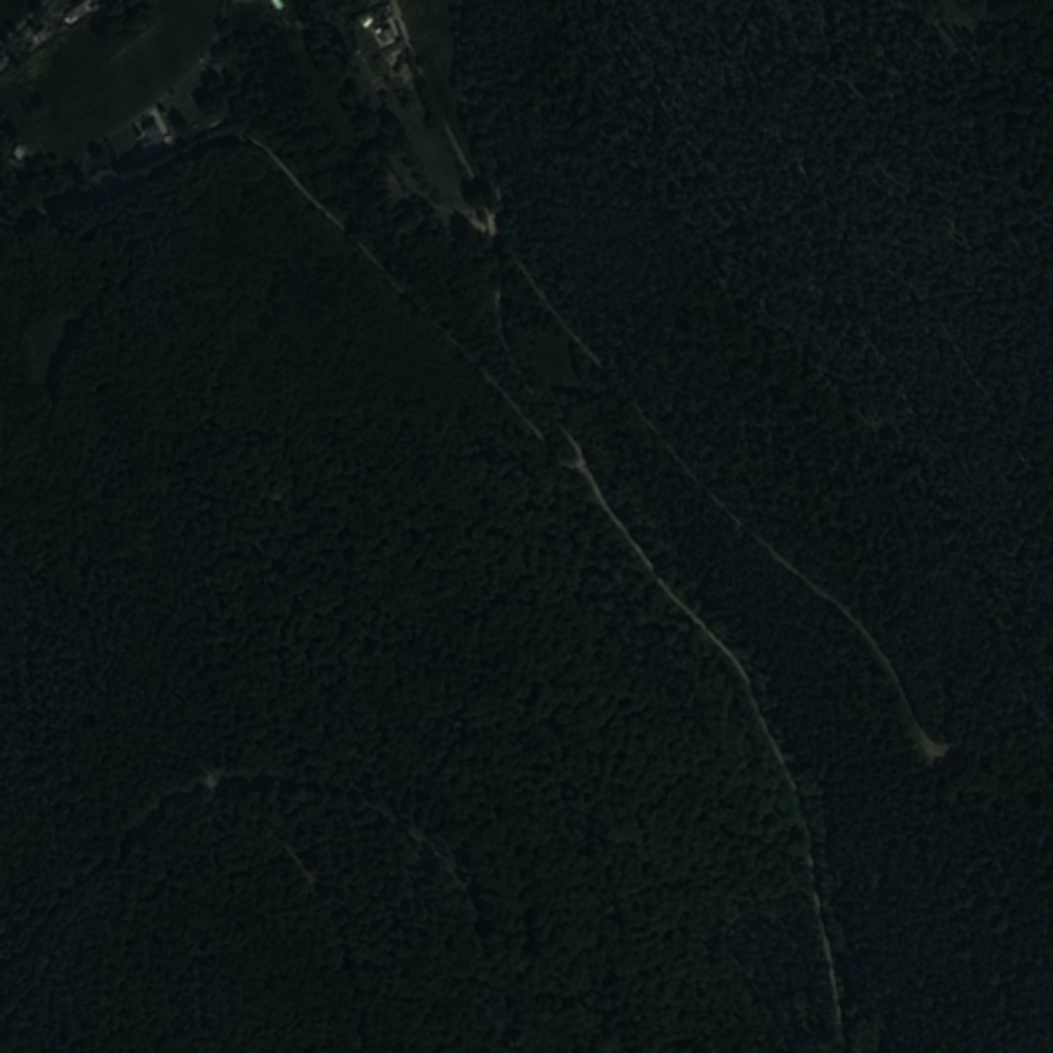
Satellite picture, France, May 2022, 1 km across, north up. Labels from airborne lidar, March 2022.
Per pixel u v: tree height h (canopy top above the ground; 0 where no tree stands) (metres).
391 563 31
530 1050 32
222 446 20
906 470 23
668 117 31
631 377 23
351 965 23
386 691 33
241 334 16
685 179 27
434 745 31
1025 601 25
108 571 24
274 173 15
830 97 21
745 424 10
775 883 33
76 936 21
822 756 27
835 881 22
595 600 33
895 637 17
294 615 30
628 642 32
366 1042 28
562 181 13
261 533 29
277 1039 23
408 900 30
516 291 24
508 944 34
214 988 29
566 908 29
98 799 25
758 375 35
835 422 17
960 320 22
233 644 28
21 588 24
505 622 32
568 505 33
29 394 21
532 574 34
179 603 27
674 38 31
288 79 21
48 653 22
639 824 33
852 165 28
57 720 26
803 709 28
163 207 30
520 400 19
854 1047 28
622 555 33
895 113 25
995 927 22
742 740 33
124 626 21
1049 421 29
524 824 31
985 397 26
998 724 12
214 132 6
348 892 29
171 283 27
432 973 31
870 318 25
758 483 21
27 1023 20
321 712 28
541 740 34
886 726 23
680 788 32
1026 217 21
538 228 20
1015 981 23
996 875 17
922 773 16
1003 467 25
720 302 17
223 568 30
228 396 19
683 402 35
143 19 16
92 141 0
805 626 24
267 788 23
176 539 26
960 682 16
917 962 25
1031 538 27
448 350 21
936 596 18
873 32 26
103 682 20
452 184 0
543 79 20
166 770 19
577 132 13
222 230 16
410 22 0
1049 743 15
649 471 25
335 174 23
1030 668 12
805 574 23
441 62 0
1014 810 21
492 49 26
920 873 21
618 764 32
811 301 33
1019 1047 23
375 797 27
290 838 26
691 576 28
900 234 20
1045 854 12
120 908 23
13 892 22
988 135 28
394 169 16
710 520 23
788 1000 32
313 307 20
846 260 24
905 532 33
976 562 15
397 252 25
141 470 27
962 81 29
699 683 33
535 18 18
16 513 23
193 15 0
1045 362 27
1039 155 24
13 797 23
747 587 28
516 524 36
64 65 0
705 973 32
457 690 31
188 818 22
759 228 27
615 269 19
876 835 28
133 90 0
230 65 13
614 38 24
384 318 24
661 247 24
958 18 0
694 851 30
